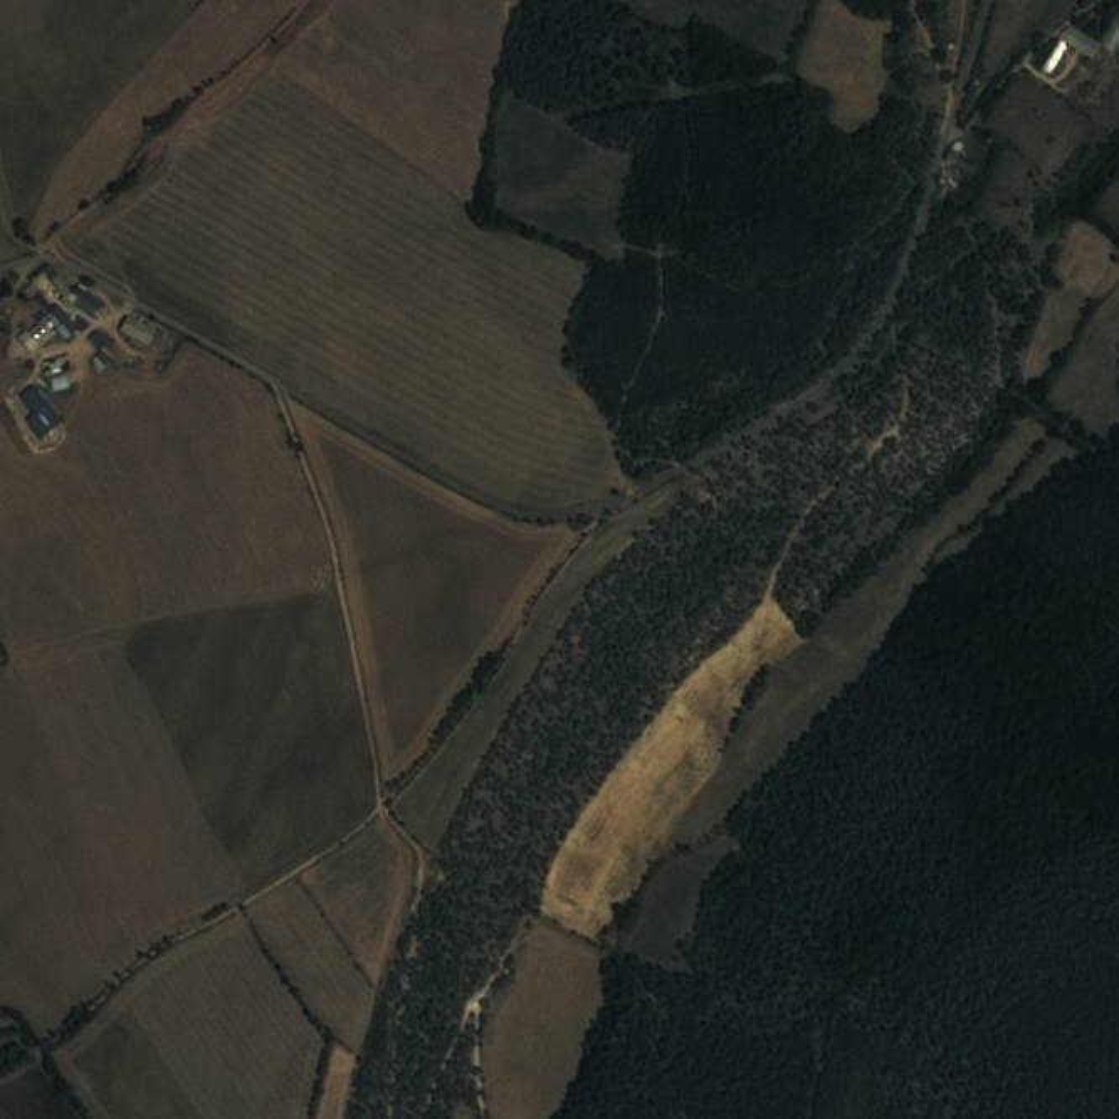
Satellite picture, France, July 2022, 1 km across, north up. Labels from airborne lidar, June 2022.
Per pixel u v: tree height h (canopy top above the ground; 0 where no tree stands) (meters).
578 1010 0
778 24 0
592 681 7
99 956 0
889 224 5
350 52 0
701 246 6
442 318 0
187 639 0
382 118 0
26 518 0
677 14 0
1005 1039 10
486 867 6
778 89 7
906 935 10
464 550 0
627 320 7
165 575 0
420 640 0
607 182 0
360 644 0
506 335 0
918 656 16
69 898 0
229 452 0
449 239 0
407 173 0
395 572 0
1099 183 10
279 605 0
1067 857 11
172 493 0
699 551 11
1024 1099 16
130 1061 0
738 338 7
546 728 7
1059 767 17
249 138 0
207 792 0
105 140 0
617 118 20
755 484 7
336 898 0
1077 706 18
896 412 6
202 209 0
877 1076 6
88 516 0
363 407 0
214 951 0
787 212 10
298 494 0
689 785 0
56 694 0
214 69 0
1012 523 16
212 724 0
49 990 0
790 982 7
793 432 7
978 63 6
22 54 0
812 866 8
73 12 0
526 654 0
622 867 0
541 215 0
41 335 0
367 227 0
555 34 14
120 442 0
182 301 0
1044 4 0
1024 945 10
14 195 0
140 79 0
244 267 0
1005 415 18
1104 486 16
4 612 0
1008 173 0
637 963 15
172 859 0
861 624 0
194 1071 0
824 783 15
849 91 0
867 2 8
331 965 0
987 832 14
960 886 14
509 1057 0
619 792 0
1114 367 0
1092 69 0
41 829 0
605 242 0
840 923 9
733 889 8
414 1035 10
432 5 0
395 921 0
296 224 0
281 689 0
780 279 6
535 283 0
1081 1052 13
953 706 14
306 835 0
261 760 0
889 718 11
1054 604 16
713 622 7
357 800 0
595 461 0
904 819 14
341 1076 0
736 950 7
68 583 0
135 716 0
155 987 0
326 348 0
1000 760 17
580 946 0
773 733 0
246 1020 0
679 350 7
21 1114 0
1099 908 15
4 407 0
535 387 0
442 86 0
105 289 0
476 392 0
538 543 0
